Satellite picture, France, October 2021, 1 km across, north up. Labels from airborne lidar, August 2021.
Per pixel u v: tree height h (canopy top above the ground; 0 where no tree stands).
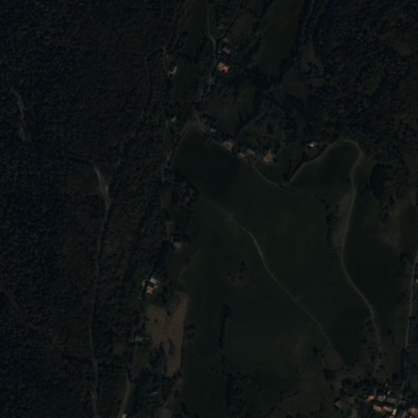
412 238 0
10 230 24
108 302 24
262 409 0
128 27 18
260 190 0
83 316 16
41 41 22
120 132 18
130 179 13
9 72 8
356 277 0
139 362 0
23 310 22
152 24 13
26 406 17
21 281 18
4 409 27
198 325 0
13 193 8
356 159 0
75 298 19
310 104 0
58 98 19
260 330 0
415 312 0
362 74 18
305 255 0
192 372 0
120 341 6
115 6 16
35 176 18
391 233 0
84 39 18
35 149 0
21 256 19
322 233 0
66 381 15
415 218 0
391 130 6
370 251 0
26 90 8
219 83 7
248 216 0
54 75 18
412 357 0
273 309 0
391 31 22
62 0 16
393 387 0
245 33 0
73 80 17
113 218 14
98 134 18
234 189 0
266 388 0
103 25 17
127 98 15
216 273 0
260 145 10
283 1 0
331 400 0
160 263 24
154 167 8
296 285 0
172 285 10
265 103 17
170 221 22
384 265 0
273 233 0
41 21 21
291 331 0
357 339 0
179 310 0
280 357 0
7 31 22
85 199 10
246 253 0
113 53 19
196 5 0
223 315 0
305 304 0
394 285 0
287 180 15
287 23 0
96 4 20
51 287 17
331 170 0
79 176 18
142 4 16
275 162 8
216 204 0
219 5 11
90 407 19
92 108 19
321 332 0
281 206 0
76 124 15
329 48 21
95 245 17
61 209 21
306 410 0
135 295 16
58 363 16
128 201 17
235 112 0
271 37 0
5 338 28
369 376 15
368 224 0
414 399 9
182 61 17
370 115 14
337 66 21
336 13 22
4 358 25
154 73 11
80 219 14
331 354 0
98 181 11
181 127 7
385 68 16
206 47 9
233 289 0
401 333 0
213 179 0
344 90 10
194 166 0
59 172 18
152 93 11
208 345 0
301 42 9
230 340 0
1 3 23
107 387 8
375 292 0
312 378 0
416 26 20
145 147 24
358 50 18
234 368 0
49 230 24
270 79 0
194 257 0
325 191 0
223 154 0
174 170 0
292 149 7
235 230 0
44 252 23
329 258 0
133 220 21
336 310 0
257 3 0
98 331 24
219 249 0
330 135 16
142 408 18
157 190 9
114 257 17
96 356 17
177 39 7
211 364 0
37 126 17
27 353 15
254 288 0
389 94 13
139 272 24
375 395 0
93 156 16
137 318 17
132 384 15
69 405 19
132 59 15
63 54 23
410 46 8
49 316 19
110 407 9
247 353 0
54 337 15
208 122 10
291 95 0
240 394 29
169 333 0
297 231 0
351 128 26
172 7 17
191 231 0
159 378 14
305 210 0
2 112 21
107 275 18
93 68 17
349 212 0
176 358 0
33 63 21
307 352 0
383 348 0
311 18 16
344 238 0
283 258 0
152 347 0
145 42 12
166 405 7
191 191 20
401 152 7
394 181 13
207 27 0
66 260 16
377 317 0
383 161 26
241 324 0
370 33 16
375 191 23
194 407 0
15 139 8
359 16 20
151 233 8
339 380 0
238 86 25
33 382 27
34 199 14
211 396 0
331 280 0
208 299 0
